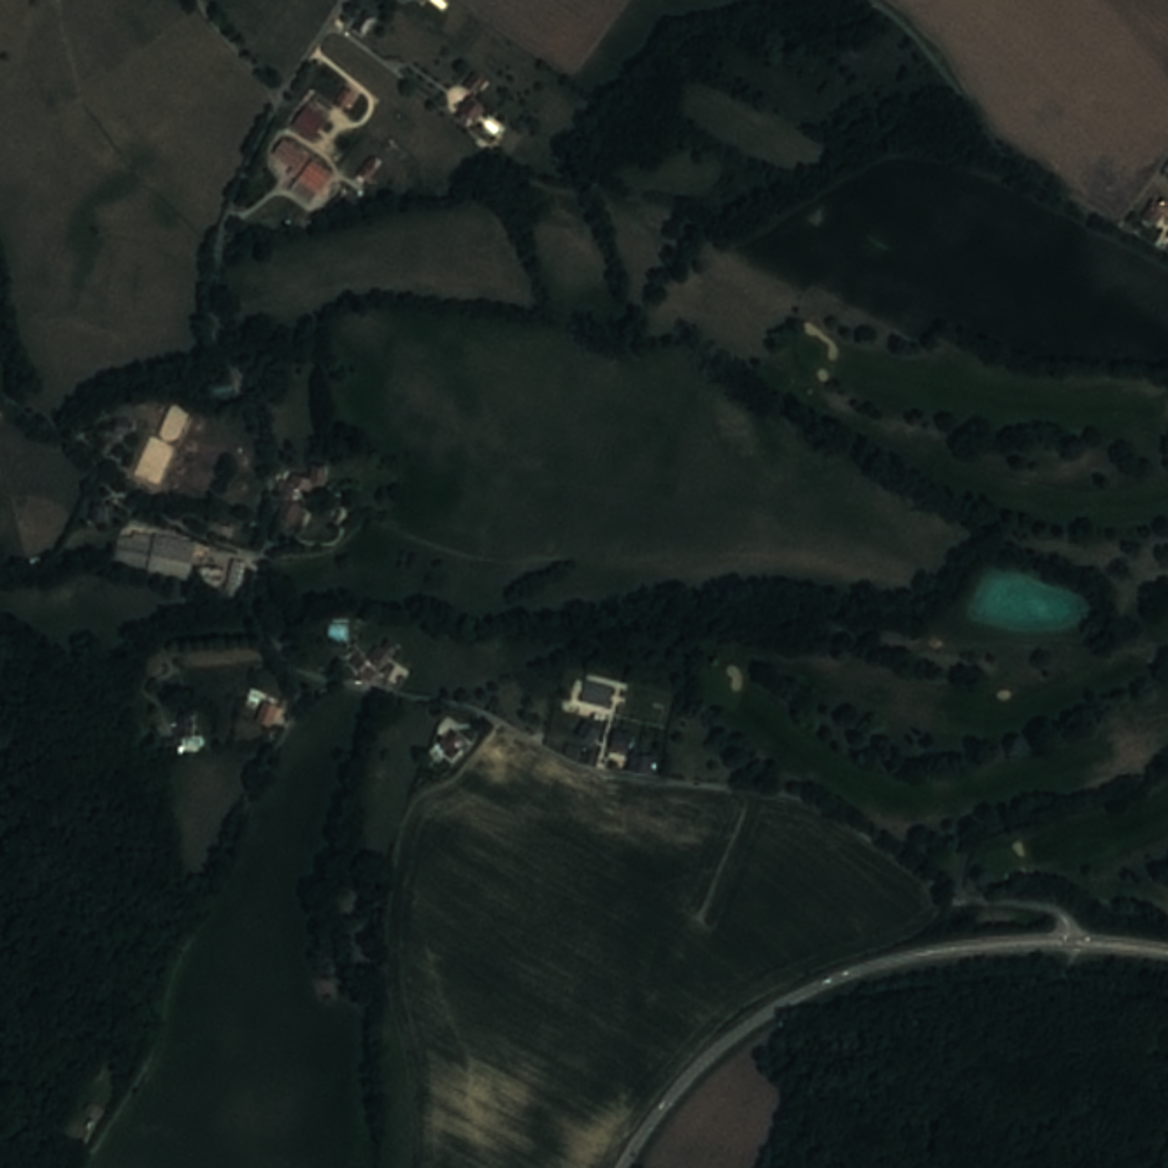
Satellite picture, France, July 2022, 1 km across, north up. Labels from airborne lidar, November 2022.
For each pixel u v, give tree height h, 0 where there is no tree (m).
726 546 0
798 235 0
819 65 9
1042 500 0
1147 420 0
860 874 0
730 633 18
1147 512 0
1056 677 0
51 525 0
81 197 0
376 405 0
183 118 0
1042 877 12
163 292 0
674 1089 0
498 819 0
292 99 11
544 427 0
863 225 0
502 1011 0
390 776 0
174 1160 0
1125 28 0
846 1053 11
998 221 0
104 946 19
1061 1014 27
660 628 30
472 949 0
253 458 0
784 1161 20
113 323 0
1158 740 0
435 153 0
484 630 20
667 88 22
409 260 0
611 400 0
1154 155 0
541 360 0
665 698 0
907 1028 24
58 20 0
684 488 0
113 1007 25
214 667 0
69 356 0
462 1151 0
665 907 0
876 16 14
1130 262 0
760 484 0
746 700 0
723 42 16
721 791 0
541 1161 0
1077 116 0
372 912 18
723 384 30
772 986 0
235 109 0
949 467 0
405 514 0
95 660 23
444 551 0
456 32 0
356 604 25
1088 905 12
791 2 18
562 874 0
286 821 0
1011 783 0
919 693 0
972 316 0
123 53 0
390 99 0
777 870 0
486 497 0
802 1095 21
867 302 0
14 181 0
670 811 0
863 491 0
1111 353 0
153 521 10
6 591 16
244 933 0
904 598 21
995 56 0
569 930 0
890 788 0
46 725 23
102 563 22
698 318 0
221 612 22
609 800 0
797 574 0
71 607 0
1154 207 0
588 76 0
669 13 0
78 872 22
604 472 0
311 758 0
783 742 0
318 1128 0
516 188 19
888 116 13
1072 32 0
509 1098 0
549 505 0
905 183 0
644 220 0
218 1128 0
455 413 0
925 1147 22
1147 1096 24
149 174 0
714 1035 0
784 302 0
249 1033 0
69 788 25
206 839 0
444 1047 0
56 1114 24
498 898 0
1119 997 21
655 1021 0
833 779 0
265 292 0
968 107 16
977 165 18
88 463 15
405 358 0
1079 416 0
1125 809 13
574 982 0
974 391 0
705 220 17
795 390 0
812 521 0
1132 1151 23
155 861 18
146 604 0
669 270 7
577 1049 0
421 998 0
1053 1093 24
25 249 0
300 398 0
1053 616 0
